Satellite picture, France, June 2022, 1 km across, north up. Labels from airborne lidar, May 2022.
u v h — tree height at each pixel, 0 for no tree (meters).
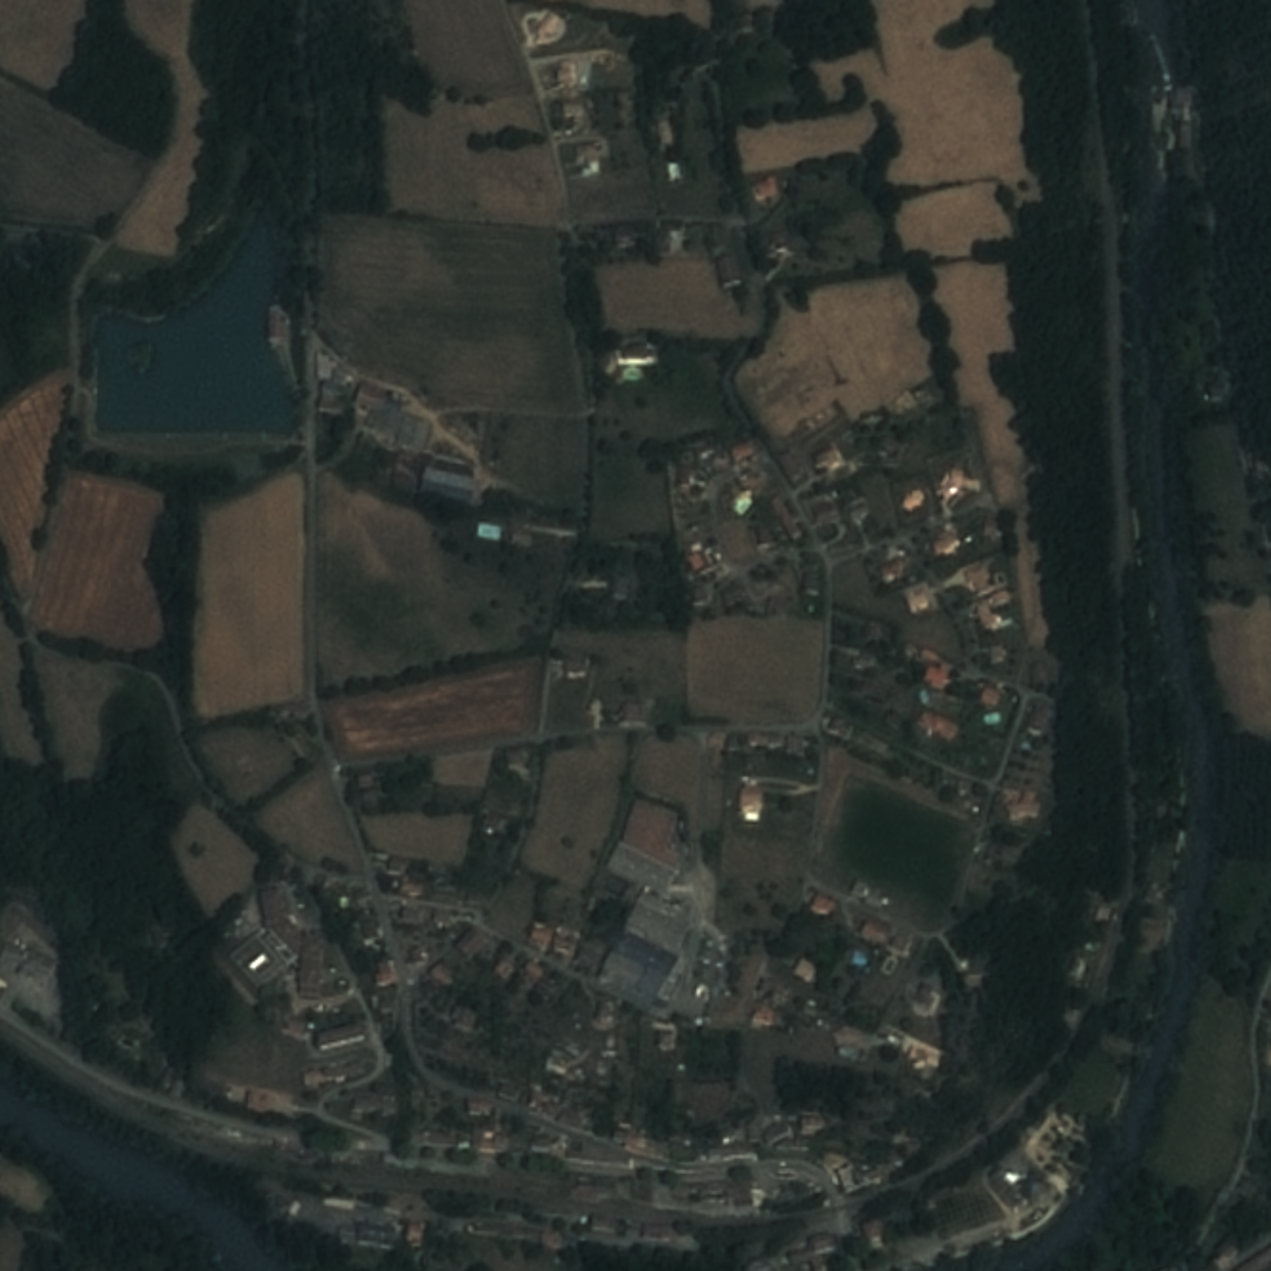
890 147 20
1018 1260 0
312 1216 0
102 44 17
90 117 16
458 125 0
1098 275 18
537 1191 0
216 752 0
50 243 12
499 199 0
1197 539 17
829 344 0
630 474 0
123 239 0
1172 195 11
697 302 0
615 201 0
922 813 0
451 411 0
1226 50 8
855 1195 8
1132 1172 19
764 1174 0
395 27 6
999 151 0
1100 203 13
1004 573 0
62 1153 0
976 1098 7
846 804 0
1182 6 15
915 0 0
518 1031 5
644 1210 0
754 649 0
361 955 11
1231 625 0
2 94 0
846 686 10
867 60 0
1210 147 10
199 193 12
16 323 14
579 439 0
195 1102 8
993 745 0
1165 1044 0
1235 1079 0
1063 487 25
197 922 13
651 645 0
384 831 0
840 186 0
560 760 0
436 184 0
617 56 0
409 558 0
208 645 0
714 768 0
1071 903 17
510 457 0
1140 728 18
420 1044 6
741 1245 12
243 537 0
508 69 0
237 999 0
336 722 0
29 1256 7
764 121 14
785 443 0
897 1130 14
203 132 14
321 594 0
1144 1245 10
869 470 0
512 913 0
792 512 8
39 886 10
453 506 16
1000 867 6
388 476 0
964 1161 10
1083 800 25
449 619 0
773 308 12
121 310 14
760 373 0
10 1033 0
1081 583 19
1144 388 20
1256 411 24
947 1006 8
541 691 0
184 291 6
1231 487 0
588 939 6
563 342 0
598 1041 0
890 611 0
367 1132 0
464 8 0
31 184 0
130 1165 0
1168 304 31
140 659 19
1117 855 22
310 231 16
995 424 0
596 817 0
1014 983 14
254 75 18
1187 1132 0
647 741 0
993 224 0
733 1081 10
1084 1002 16
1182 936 0
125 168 0
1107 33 19
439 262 0
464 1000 6
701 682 0
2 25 0
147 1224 20
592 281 7
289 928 0
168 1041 18
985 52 0
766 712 0
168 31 0
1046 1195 0
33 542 9
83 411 0
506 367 0
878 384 0
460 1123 6
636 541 11
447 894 0
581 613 10
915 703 0
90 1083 0
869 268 14
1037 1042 14
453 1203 13
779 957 25
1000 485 0
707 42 22
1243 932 0
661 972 0
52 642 12
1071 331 14
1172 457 17
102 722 0
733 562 0
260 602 0
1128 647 18
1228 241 20
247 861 0
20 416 0
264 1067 0
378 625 0
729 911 0
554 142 0
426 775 7
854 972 7
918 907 0
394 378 0
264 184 13
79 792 22
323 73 18
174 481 8
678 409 0
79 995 10
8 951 0
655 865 0
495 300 0
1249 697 0
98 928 16
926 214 0
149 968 13
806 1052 0
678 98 15
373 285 0
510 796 0
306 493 0
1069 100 13
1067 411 19
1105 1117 7
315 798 0
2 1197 17
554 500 0
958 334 0
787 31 19
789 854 0
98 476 7
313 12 6
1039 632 0
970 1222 0
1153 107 0
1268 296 17
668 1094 11
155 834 20
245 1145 0
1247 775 34
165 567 15
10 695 0
